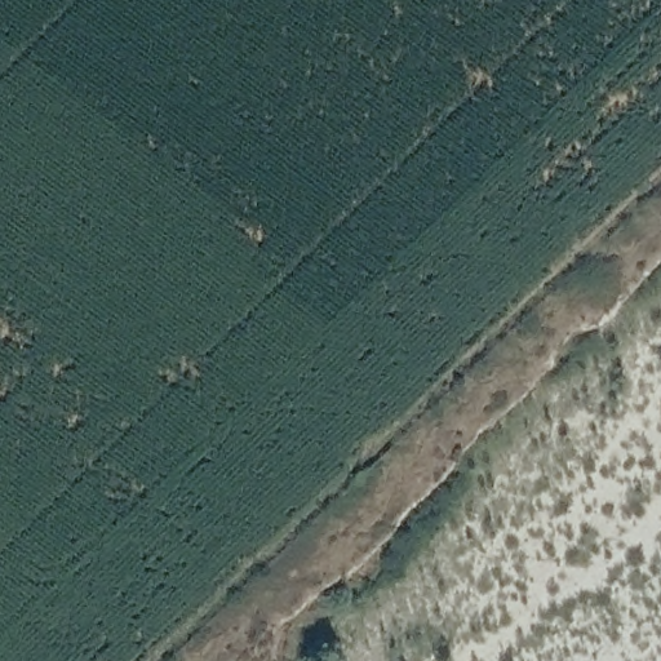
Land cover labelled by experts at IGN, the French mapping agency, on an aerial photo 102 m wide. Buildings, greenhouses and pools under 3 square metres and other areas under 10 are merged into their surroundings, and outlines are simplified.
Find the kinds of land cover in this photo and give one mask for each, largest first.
<instances>
[{"label":"agricultural land","instance_id":"1","mask_svg":"<svg viewBox=\"0 0 661 661\"><path fill-rule=\"evenodd\" d=\"M661 178V0H0V661H158L214 604H219L227 589L245 576V571L253 563L263 560L271 550H276L284 542V537L318 506V501H323L328 493L336 491V485L343 483L346 473H351L356 462L367 460L387 439L405 421H411V416H416V411L429 400V395L436 392L444 380L454 374V369L462 361L478 354L491 336H496L503 328V323H509L534 294H540L545 284L553 281L568 263H573L578 253H586V248L617 219L620 212H625L638 199V194L648 191Z\"/></svg>","mask_w":661,"mask_h":661},{"label":"herbaceous vegetation","instance_id":"2","mask_svg":"<svg viewBox=\"0 0 661 661\"><path fill-rule=\"evenodd\" d=\"M646 217H635L630 222L617 219L586 248V253H578L573 263H568L553 281L545 284L540 294H534L509 323H503V328L496 336H491L478 354L462 361L454 369V374L444 380L436 392L429 395V400L416 411V416H411V421H405L387 439L395 444V449L382 460V473L374 493L361 498L359 509H351L343 519L328 522V527L320 532L312 560L292 568L284 576H261L240 596V602L227 609V615L212 622V633L204 640V646L196 651H183L178 661H305V656H300L302 630L315 620L325 617L318 602L307 607L305 617L284 625L279 658L271 653L253 656L256 646L271 643L269 622L274 620V615L292 612L307 594V589L318 586L323 578H333L336 584L349 578V565H354L369 547H374V540L382 532H390L392 537L398 527L411 516V511L418 503H423L457 470V452H470L478 436L498 423L501 436L488 439L493 449V488H488L485 496L475 501L473 519H462L454 529H444L436 532L431 545L423 547L418 558L408 563L403 581H395L392 586L377 591L382 604L380 609L343 612L333 622L346 661H387L385 643L380 638V625L390 627V620H400L405 627L429 622L452 643V648L457 643L473 640L483 643V633H498L511 622L506 604L527 602V586L532 584V576L527 571V555L516 540L524 516H534L537 511H542V493L553 496L555 501L553 514L560 516L571 509V496L560 491L563 478H573L568 460L584 465L586 478L578 485L581 493L594 488V460L607 447V418L643 413L648 408L653 390L646 380L648 374L661 372V297H633L625 302L622 312L609 328L617 336V346L604 351L599 361L586 359V369L573 372L571 377L558 382L550 374V369L568 351V343L578 333L604 328L599 325V318L604 312L589 307L584 297L565 294L571 289L568 276L581 271L586 263H615L617 258L622 261V269L643 271L648 258L661 250V199L646 204ZM640 447L643 460L612 457L609 465L602 467V478H609L627 488V501L622 506L625 516H643L651 498L661 493V467L653 462V444L648 442V436L638 431H630V436L622 442V449ZM565 560L571 565H589L594 555L609 553L607 537H602L589 524H581V537L573 534L565 540ZM658 547L653 558H646L640 547H630L627 558L609 568L607 581L599 591H581L565 599L563 604H550L547 609H540V622L532 625L529 635L524 633V627H519L516 643H511L501 653V661H568L571 656L599 658L594 643H602L607 638L620 640V625L625 620H633L635 625L633 646L638 651L648 648V640L653 635H661V532L656 534Z\"/></svg>","mask_w":661,"mask_h":661},{"label":"pervious surface","instance_id":"3","mask_svg":"<svg viewBox=\"0 0 661 661\"><path fill-rule=\"evenodd\" d=\"M661 266V250L648 258L643 271L622 269L620 294L615 305L604 312L599 318V325L604 328H609L622 312L625 302L633 297L635 289L653 274V269ZM653 390L648 408L643 413L607 418V447L594 460V488L581 493L578 485L586 478L584 465L568 460L573 478H563L560 491L571 496V509L560 516L553 514L555 501L553 496L542 493V511H537L534 516H524L516 540L527 555V571L532 576V584L527 586V602L506 604L511 622L498 633H483V643L473 640L457 643L452 648V661H501V653L511 643H516L519 627H524V633L529 635L532 625L540 622V609H547L550 604H563L565 599L581 591H599L607 581L609 568L627 558L630 547H640L646 558H653L658 547L656 534L661 532V493L651 498L643 516H625L622 506L627 501V488L609 478H602V467L609 465L612 457L643 460L640 447L622 449V442L630 436V431H638L648 436V442L653 444V462L661 467V372L648 374L646 380ZM581 524H589L602 537H607L609 553L594 555L589 565H571L565 560V540L573 534L581 537ZM392 537L390 532H382L374 540V547H369L354 565H349V578L364 576L369 568H377L382 547ZM336 584L333 578H323L318 586L307 589V594L292 612L274 615V620L269 622L271 643L256 646L253 656L271 653L279 658L284 625L305 617L307 607L318 602V596L325 589ZM635 625L633 620H625L620 625V640L607 638L602 643H594L599 658L571 656L568 661H661V635H653L648 640V648L638 651L633 646Z\"/></svg>","mask_w":661,"mask_h":661},{"label":"brushwood","instance_id":"4","mask_svg":"<svg viewBox=\"0 0 661 661\"><path fill-rule=\"evenodd\" d=\"M661 199V178L648 191L638 194V199L625 212H620L617 219L630 222L635 217H646V204ZM571 289L565 294L584 297L589 307L604 312L615 305L620 294L622 269V261L617 258L615 263H586L581 271L568 276ZM661 297V266L653 269V274L635 289L633 297ZM617 346V336L609 328H604L578 333L568 343V351L550 369V374L558 382L571 377L573 372L586 369V359L599 361L604 351ZM501 436L498 423L478 436L470 452H457V470L462 478H470V491L460 496V506L444 519V529H454L462 519H473L475 501L485 496L488 488H493V449L488 439ZM395 449V444L387 439L367 460L356 462L351 473H346L343 483L336 485V491L328 493L323 501H318V506L284 537V542L276 550H271L263 560L253 563L245 571V576L227 589L219 604H214L158 661H178L183 651H196L204 646V640L212 633V622L227 615V609L240 602V596L261 576H284L292 568L312 560L320 532L328 527V522L343 519L351 509H359L361 498L374 493L382 473V460ZM380 638L385 643L387 661H452V643L429 622L405 627L400 620H390V627L380 625Z\"/></svg>","mask_w":661,"mask_h":661},{"label":"deciduous trees","instance_id":"5","mask_svg":"<svg viewBox=\"0 0 661 661\"><path fill-rule=\"evenodd\" d=\"M470 491V478H462L457 470L423 503H418L411 511V516L398 527L392 537L382 547L377 568H369L364 576L349 578L336 584L325 589L318 596V602L325 617L315 620L302 630L300 656H305V661H346L333 622L343 612L380 609L382 604L377 591L392 586L395 581H403L408 563L418 558L423 547L431 545L436 532L444 529V519L460 506V496Z\"/></svg>","mask_w":661,"mask_h":661}]
</instances>
